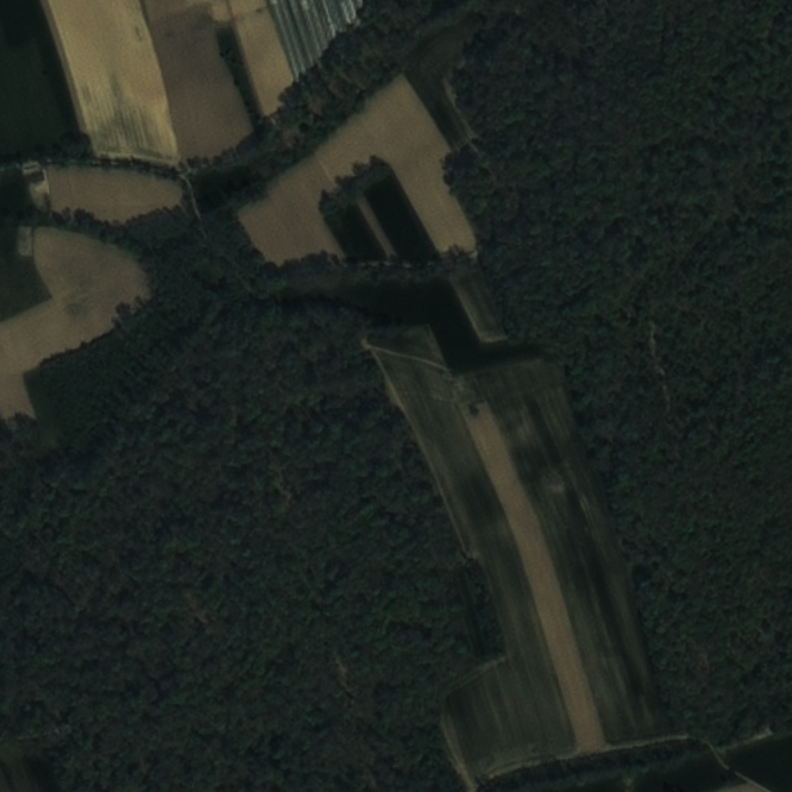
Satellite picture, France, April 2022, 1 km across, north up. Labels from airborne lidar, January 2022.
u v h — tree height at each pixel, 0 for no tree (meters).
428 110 0
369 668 36
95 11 0
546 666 0
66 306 0
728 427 24
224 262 24
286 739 23
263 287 19
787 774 0
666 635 33
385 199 0
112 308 0
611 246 39
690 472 23
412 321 0
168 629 34
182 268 25
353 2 0
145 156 0
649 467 32
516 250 34
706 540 24
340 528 35
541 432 0
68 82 0
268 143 25
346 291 0
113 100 0
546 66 17
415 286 0
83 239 0
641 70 21
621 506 26
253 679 40
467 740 0
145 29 0
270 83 0
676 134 23
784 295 20
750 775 0
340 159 0
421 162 0
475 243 0
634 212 34
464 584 0
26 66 0
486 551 0
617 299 25
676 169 17
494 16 31
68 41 0
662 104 28
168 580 36
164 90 0
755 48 34
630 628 0
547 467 0
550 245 37
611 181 40
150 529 24
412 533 28
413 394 0
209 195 0
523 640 0
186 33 0
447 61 0
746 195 14
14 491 34
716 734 25
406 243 0
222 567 32
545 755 0
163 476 34
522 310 27
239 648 36
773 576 24
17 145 0
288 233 0
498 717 0
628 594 0
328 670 33
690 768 0
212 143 0
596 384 28
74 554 26
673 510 34
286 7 0
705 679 34
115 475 29
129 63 0
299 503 34
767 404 23
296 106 26
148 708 26
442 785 6
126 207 0
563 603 0
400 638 34
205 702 36
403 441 33
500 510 0
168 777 34
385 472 36
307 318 28
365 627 38
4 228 0
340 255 0
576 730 0
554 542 0
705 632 37
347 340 21
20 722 35
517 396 0
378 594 31
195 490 19
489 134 25
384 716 35
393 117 0
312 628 38
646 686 0
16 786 0
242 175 0
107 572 28
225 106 0
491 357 0
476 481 0
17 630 30
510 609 0
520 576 0
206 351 29
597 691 0
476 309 0
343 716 31
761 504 26
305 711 32
